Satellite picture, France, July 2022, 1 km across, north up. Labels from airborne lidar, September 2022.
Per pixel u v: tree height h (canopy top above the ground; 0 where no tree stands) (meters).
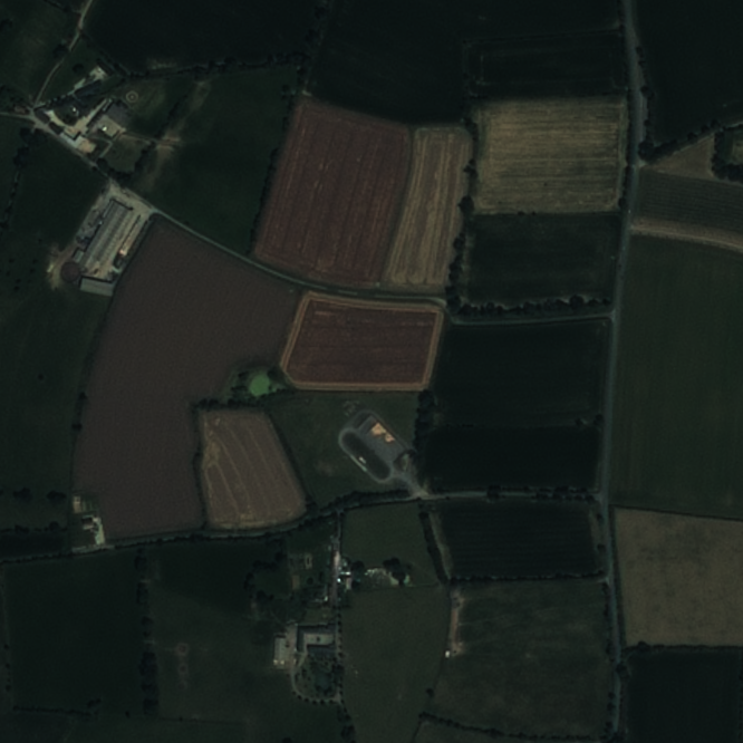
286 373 0
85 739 0
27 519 0
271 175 9
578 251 0
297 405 0
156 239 0
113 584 0
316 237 0
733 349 0
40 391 0
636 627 0
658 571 0
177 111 7
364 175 0
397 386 0
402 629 0
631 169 11
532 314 13
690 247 0
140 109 0
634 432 0
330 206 0
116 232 0
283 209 0
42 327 0
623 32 10
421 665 0
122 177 13
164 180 0
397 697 0
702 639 0
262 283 0
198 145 0
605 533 0
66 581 0
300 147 0
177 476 0
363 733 0
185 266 0
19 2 0
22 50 0
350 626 0
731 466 0
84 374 0
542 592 0
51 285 0
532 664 0
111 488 0
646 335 0
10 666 9
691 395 0
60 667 0
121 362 0
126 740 0
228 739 0
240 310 0
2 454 0
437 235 0
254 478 0
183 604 0
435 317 0
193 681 0
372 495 11
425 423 19
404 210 0
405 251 0
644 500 0
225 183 0
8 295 0
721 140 15
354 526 0
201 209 0
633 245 0
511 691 0
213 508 0
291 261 0
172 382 0
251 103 0
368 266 0
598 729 0
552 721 0
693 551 0
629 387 0
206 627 0
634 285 0
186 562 0
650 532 0
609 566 0
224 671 0
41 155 0
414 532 0
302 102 0
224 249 0
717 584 0
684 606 0
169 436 0
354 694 0
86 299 0
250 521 0
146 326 0
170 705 0
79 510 0
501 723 0
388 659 0
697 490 0
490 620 0
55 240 0
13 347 0
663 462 0
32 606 0
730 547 0
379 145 0
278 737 0
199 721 0
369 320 0
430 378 0
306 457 0
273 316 0
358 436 0
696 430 0
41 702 0
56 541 0
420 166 0
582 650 0
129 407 0
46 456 0
